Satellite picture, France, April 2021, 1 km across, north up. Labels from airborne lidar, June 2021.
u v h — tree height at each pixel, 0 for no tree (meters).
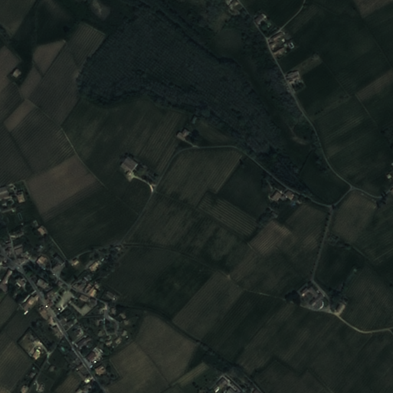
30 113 0
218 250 0
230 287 0
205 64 21
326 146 0
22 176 0
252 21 13
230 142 0
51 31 0
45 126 0
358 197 0
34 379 6
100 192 0
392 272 0
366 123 0
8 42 13
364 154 0
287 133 0
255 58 5
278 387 0
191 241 0
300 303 11
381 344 0
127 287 0
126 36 17
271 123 22
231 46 0
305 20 0
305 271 0
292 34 0
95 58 14
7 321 0
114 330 8
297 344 0
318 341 0
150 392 0
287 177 21
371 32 0
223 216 0
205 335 0
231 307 0
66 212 0
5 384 0
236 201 0
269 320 0
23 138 0
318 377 0
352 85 0
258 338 0
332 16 0
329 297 0
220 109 9
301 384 0
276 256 0
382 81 0
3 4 0
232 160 0
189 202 0
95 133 0
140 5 11
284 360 0
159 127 0
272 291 0
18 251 0
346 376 0
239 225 0
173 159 0
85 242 0
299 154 0
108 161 0
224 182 0
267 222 15
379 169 0
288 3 0
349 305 0
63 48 0
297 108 13
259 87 0
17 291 14
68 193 0
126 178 0
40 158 0
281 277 0
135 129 0
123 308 7
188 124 0
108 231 0
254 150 17
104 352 9
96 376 7
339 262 0
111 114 0
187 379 0
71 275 0
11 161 0
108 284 0
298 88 9
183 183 0
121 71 19
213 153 0
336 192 0
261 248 0
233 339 0
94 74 17
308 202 14
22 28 0
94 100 7
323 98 0
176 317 0
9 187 10
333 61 0
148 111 0
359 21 0
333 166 0
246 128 7
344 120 0
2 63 0
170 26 16
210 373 0
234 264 0
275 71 22
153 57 17
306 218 0
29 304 0
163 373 0
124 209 0
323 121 0
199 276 0
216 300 0
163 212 0
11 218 0
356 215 0
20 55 0
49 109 0
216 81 17
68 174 0
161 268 0
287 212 0
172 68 14
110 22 0
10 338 0
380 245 0
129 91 9
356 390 0
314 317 0
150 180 10
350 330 0
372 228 0
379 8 0
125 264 0
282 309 0
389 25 0
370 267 0
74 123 0
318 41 0
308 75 0
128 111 0
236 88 15
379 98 0
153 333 0
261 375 0
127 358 0
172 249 0
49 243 8
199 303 0
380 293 0
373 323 0
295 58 0
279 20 0
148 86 15
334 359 0
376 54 0
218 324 0
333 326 0
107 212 0
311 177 0
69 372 7
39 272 12
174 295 0
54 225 0
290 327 0
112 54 23
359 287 0
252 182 0
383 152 0
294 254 0
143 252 0
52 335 0
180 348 0
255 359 0
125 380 0
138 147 0
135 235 0
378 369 0
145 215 0
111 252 7
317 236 0
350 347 0
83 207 0
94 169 0
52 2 0
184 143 0
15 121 0
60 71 0
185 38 21
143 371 0
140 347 0
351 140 0
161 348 0
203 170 0
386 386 0
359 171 0
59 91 0
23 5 0
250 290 0
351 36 0
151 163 0
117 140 0
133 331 0
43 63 0
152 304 0
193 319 0
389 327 0
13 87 0
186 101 15
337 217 0
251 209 0
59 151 0
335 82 0
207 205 0
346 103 0
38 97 0
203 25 18
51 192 0
